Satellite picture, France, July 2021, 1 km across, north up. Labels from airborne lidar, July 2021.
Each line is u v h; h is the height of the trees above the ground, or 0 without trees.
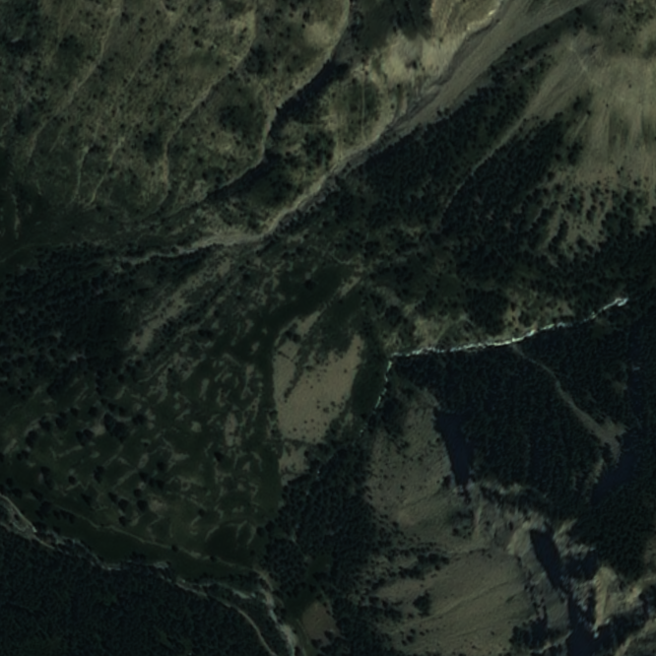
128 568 11
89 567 25
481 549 0
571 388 11
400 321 12
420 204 17
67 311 14
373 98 0
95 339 17
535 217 0
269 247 9
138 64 0
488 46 0
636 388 9
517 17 0
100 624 29
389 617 11
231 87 0
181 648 21
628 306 8
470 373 16
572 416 14
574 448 23
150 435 0
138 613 26
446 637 0
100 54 0
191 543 0
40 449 0
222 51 0
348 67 7
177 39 0
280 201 18
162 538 0
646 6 0
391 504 0
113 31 0
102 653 22
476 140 19
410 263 6
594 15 0
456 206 11
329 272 0
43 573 19
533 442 6
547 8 0
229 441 0
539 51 7
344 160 0
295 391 0
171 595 27
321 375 0
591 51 0
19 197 7
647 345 9
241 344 0
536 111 0
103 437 0
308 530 11
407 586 0
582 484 10
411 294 8
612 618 0
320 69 0
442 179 14
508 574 0
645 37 0
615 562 10
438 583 0
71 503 0
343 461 21
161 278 10
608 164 0
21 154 0
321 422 0
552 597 0
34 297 12
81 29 0
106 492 0
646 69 0
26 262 0
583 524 8
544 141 12
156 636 27
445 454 0
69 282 12
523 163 18
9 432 0
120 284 13
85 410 0
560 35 0
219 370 0
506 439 19
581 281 12
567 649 0
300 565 18
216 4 0
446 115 6
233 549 0
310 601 0
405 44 0
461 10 0
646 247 16
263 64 9
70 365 11
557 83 0
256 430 0
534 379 18
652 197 0
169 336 9
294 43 0
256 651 23
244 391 0
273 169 9
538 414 18
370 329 15
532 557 0
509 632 0
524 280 12
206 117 0
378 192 9
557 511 7
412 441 0
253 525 0
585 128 0
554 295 9
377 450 0
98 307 10
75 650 7
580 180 0
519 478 11
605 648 6
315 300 0
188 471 0
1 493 25
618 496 8
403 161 17
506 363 14
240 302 8
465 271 7
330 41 0
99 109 0
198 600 12
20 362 13
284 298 0
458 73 0
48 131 0
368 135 0
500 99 13
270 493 0
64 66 0
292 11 10
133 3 0
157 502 0
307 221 9
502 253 11
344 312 0
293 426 0
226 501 0
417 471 0
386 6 0
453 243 0
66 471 0
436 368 16
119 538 0
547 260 17
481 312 13
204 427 0
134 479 0
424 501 0
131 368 10
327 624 0
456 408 9
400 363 15
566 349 17
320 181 0
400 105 0
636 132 0
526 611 0
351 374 0
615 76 0
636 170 0
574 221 0
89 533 0
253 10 0
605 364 16
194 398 0
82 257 7
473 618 0
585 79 0
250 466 0
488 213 16
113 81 0
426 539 0
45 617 27
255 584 13
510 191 11
